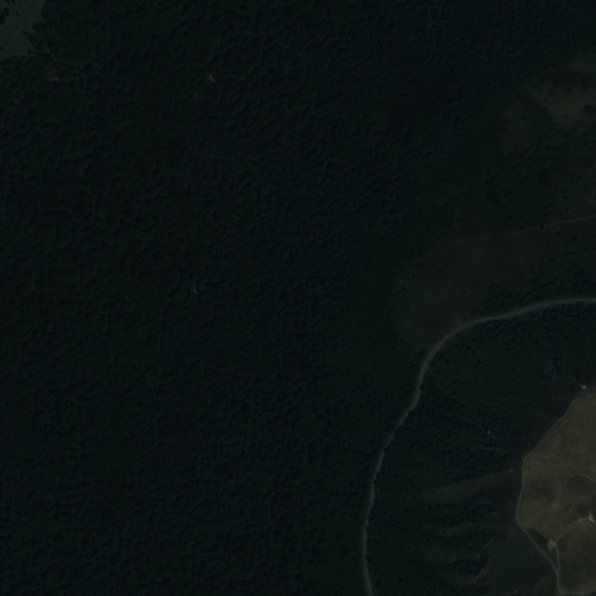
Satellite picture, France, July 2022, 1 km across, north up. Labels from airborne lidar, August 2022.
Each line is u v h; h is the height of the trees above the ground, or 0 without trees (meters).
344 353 7
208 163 14
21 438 20
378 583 14
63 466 16
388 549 8
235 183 15
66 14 15
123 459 20
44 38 8
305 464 6
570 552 0
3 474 18
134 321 15
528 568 0
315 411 13
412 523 7
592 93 0
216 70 18
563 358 0
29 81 10
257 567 11
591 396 0
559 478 0
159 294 20
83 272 19
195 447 15
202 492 18
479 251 0
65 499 14
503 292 6
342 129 16
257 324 19
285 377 19
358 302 6
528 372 0
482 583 0
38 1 0
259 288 16
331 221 7
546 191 5
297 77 15
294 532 15
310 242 14
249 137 18
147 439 14
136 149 18
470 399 0
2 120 14
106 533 17
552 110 0
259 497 12
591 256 0
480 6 18
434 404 12
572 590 0
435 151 8
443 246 0
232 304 23
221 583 19
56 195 18
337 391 8
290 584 8
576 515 0
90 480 17
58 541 17
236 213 14
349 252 7
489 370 0
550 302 0
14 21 0
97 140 18
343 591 8
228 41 16
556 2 11
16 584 16
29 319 18
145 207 11
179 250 21
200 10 15
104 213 16
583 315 8
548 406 0
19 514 15
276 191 13
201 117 16
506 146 0
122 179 18
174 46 19
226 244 26
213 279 18
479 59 16
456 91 16
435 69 21
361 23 18
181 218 18
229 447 16
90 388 18
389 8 18
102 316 15
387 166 11
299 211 14
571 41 8
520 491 0
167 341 18
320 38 12
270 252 18
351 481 9
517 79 10
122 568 18
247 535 15
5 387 17
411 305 0
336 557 7
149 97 18
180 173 16
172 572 6
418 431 7
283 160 14
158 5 15
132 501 15
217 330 20
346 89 13
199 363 19
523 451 0
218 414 12
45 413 15
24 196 21
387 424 13
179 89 18
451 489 0
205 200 14
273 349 21
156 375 17
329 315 12
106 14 19
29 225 19
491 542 0
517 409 0
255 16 6
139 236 6
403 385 6
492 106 7
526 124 0
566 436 0
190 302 17
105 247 20
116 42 17
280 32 18
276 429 17
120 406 20
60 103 7
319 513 8
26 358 13
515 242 0
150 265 17
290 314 17
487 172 8
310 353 15
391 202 10
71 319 17
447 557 0
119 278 14
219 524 14
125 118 19
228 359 18
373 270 6
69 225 7
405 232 8
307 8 13
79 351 18
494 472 0
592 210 0
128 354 16
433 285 0
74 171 15
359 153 12
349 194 12
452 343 0
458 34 19
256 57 16
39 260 15
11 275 18
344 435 11
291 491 12
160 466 20
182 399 14
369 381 8
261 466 10
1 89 7
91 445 22
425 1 21
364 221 10
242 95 17
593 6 11
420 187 8
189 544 15
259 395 8
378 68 15
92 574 18
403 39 21
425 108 18
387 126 7
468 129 8
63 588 18
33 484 19
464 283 0
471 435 0
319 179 14
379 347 6
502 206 8
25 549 17
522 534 0
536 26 13
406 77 20
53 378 13
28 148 14
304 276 15
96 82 14
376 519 10
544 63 6
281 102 18
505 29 16
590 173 0
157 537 15
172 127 18
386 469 6
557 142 0
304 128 7
